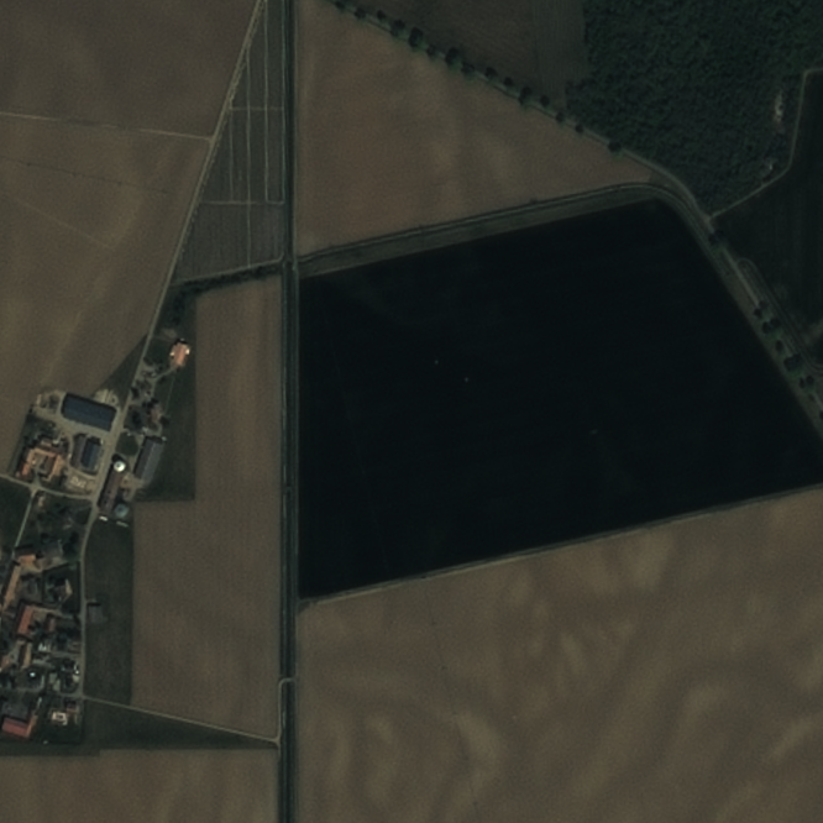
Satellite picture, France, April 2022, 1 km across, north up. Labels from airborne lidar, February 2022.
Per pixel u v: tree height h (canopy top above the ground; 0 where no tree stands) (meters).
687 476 0
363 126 0
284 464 0
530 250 0
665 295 0
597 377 0
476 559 0
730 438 0
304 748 0
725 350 0
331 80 0
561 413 0
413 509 0
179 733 0
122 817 0
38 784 0
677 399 0
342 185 0
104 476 0
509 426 0
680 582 0
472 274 0
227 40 0
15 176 0
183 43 0
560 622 0
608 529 0
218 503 0
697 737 0
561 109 0
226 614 0
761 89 10
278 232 0
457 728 0
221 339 0
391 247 0
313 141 0
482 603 0
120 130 0
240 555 0
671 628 0
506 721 0
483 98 0
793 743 0
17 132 0
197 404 0
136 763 0
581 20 0
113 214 0
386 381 0
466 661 0
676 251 0
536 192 0
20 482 0
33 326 0
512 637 0
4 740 0
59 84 0
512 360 0
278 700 0
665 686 0
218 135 0
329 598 0
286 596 0
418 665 0
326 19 0
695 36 13
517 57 0
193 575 0
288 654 0
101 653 0
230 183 0
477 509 0
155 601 0
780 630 0
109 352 0
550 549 0
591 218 0
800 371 14
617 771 0
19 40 0
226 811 0
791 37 15
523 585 0
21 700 0
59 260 0
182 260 0
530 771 0
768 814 0
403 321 0
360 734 0
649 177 0
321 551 0
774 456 0
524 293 0
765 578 0
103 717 0
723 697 0
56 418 0
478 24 0
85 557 0
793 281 0
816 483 0
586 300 0
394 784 0
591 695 0
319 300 0
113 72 0
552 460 0
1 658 0
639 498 0
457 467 0
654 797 0
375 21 0
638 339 0
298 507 0
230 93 0
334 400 0
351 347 0
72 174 0
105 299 0
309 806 0
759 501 0
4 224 0
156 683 0
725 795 0
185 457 0
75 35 0
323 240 0
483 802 0
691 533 0
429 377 0
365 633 0
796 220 0
